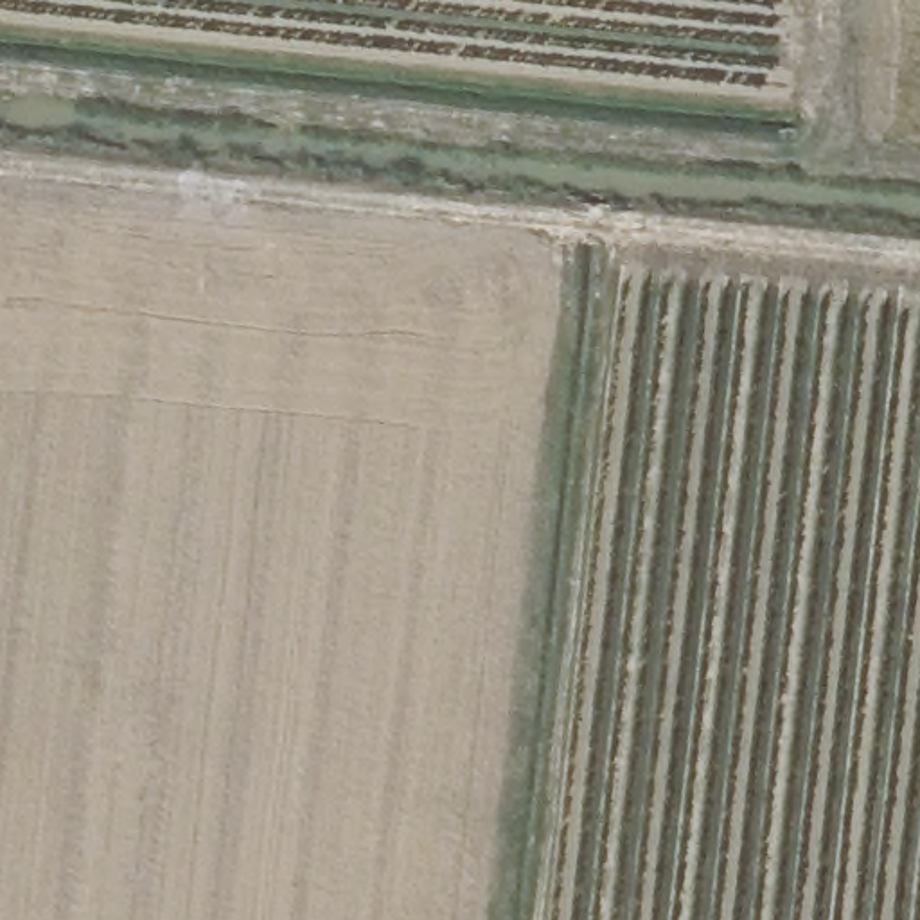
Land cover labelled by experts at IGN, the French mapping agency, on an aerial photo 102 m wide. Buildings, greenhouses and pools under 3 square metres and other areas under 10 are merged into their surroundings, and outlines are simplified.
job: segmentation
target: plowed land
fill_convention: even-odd
[[[392,194],[370,187],[331,187],[273,176],[241,180],[212,176],[201,169],[144,169],[0,151],[0,920],[485,920],[500,852],[500,794],[503,758],[510,744],[510,715],[514,654],[518,633],[525,625],[521,597],[532,561],[532,503],[546,413],[543,395],[553,352],[561,316],[561,277],[564,262],[575,262],[579,244],[546,230],[507,226],[500,219],[456,223],[449,212],[385,216],[385,201]]]

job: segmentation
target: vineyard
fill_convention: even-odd
[[[837,75],[845,36],[837,0],[0,0],[0,11],[744,86],[765,86],[765,75],[776,65],[794,72],[791,101],[783,108],[758,108],[719,97],[643,93],[615,86],[575,90],[564,83],[535,79],[456,75],[428,68],[187,43],[93,40],[79,32],[25,32],[0,25],[0,58],[119,68],[133,75],[165,79],[187,75],[241,86],[359,93],[446,108],[593,119],[615,126],[661,126],[683,133],[737,133],[769,140],[776,129],[798,129],[805,119],[816,119],[823,90]]]
[[[514,654],[510,715],[532,715],[539,633],[525,625],[518,633]]]
[[[568,582],[568,633],[550,737],[546,841],[539,859],[532,920],[920,920],[920,270],[744,255],[730,248],[579,244],[575,262],[564,262],[561,277],[561,316],[553,352],[564,356],[571,349],[571,338],[582,341],[586,331],[600,331],[600,352],[593,406],[575,406],[575,435],[586,435],[586,467]]]

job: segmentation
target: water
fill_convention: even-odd
[[[783,180],[783,187],[776,187],[776,180],[733,180],[726,176],[730,158],[553,151],[521,147],[510,140],[453,144],[420,140],[410,133],[341,129],[309,122],[298,122],[284,133],[291,144],[316,151],[410,155],[420,162],[446,165],[564,173],[622,183],[683,183],[791,194],[798,190],[798,183]]]
[[[29,104],[25,97],[0,104],[0,115],[22,126],[72,122],[72,115],[65,115],[61,108]]]
[[[834,201],[909,205],[909,212],[920,212],[920,198],[841,187],[830,190],[827,198]]]

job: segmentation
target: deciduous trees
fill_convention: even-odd
[[[920,180],[830,176],[830,190],[841,187],[920,198]]]
[[[72,122],[147,137],[187,133],[198,140],[248,140],[241,126],[248,115],[237,108],[190,111],[147,108],[122,97],[79,97],[72,115]]]
[[[776,187],[783,187],[783,180],[798,183],[805,169],[798,162],[758,165],[730,158],[726,176],[733,180],[776,180]]]

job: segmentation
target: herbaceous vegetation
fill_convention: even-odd
[[[568,582],[586,467],[586,435],[575,435],[575,406],[593,406],[600,352],[600,331],[586,331],[582,341],[571,338],[571,349],[564,356],[553,352],[543,395],[546,413],[532,503],[532,561],[521,597],[525,625],[539,633],[532,715],[510,715],[510,744],[503,758],[500,794],[500,852],[485,920],[532,920],[539,859],[546,841],[550,737],[568,633]]]
[[[830,176],[920,180],[920,0],[837,0],[845,36],[837,75],[823,90],[816,119],[805,119],[798,129],[776,129],[769,140],[737,133],[683,133],[661,126],[615,126],[593,119],[446,108],[359,93],[241,86],[187,75],[165,79],[133,75],[119,68],[0,58],[0,104],[25,97],[29,104],[61,108],[65,115],[72,115],[79,97],[122,97],[147,108],[190,111],[237,108],[248,115],[241,126],[248,140],[198,140],[187,133],[147,137],[72,122],[22,126],[0,115],[0,151],[144,169],[201,169],[212,176],[241,180],[273,176],[331,187],[370,187],[392,194],[385,201],[385,216],[449,212],[456,223],[500,219],[507,226],[546,230],[579,244],[730,248],[744,255],[920,270],[920,212],[909,212],[909,205],[834,201],[827,198],[830,190]],[[284,133],[298,122],[309,122],[341,129],[410,133],[420,140],[453,144],[510,140],[521,147],[553,151],[730,158],[758,165],[798,162],[805,169],[798,183],[798,190],[791,194],[683,183],[622,183],[564,173],[446,165],[420,162],[410,155],[316,151],[291,144]]]
[[[456,75],[535,79],[564,83],[575,90],[615,86],[643,93],[719,97],[758,108],[783,108],[791,101],[794,72],[776,65],[765,75],[765,86],[744,86],[0,11],[0,25],[25,32],[79,32],[93,40],[187,43],[428,68]]]

